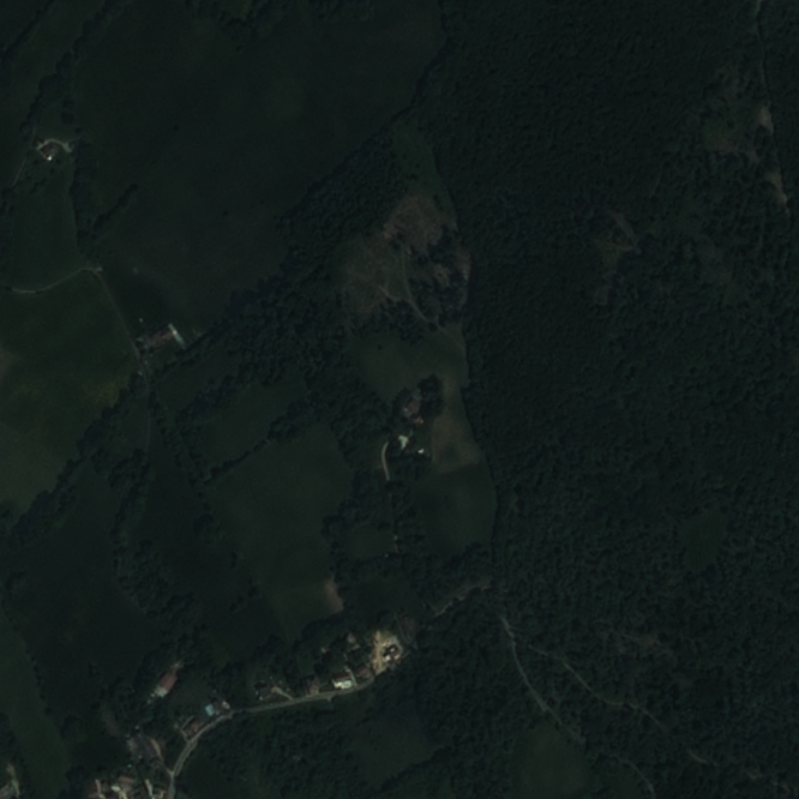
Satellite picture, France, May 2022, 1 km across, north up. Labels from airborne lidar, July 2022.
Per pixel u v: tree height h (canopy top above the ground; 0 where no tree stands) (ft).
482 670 24
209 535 64
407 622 0
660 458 70
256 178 0
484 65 77
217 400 73
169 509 0
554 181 63
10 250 55
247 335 78
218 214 0
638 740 62
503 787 36
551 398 50
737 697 57
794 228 56
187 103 0
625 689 56
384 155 64
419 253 0
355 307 0
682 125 56
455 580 65
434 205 0
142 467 32
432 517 0
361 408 55
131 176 0
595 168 81
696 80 53
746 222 62
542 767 0
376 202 63
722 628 64
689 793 54
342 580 47
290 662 23
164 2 0
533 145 74
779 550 56
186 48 0
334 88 0
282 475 0
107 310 0
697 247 69
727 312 65
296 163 0
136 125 0
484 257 61
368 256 0
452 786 25
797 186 48
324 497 0
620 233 79
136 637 0
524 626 48
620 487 67
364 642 30
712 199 56
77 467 56
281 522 0
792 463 64
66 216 0
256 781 0
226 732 35
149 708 36
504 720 61
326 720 39
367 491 73
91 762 0
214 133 0
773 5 40
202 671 39
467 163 69
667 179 41
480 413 49
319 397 55
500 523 42
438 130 64
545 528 32
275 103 0
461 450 0
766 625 62
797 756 60
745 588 54
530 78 73
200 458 43
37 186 24
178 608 66
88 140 22
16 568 0
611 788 39
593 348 50
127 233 0
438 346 0
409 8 0
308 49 0
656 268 67
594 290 63
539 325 52
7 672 0
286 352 91
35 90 0
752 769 36
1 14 0
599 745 58
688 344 63
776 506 61
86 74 0
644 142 84
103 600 0
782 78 65
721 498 63
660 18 67
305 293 81
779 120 37
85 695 0
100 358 0
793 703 36
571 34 73
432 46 0
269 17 85
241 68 0
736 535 68
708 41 54
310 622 0
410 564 81
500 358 77
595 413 62
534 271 88
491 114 73
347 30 0
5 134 0
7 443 0
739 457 54
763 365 65
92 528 0
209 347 41
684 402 65
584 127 83
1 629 0
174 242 0
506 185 57
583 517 49
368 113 0
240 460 22
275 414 0
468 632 65
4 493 0
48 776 0
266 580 0
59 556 0
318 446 0
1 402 0
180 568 0
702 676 26
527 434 51
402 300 0
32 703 0
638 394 62
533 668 55
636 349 85
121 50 0
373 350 0
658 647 48
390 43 0
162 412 33
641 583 34
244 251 0
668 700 19
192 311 0
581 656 47
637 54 79
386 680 39
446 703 59
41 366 0
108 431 63
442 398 41
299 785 37
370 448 0
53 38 0
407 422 49
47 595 0
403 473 50
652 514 60
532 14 56
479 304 69
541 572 50
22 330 0
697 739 50
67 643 0
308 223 75
